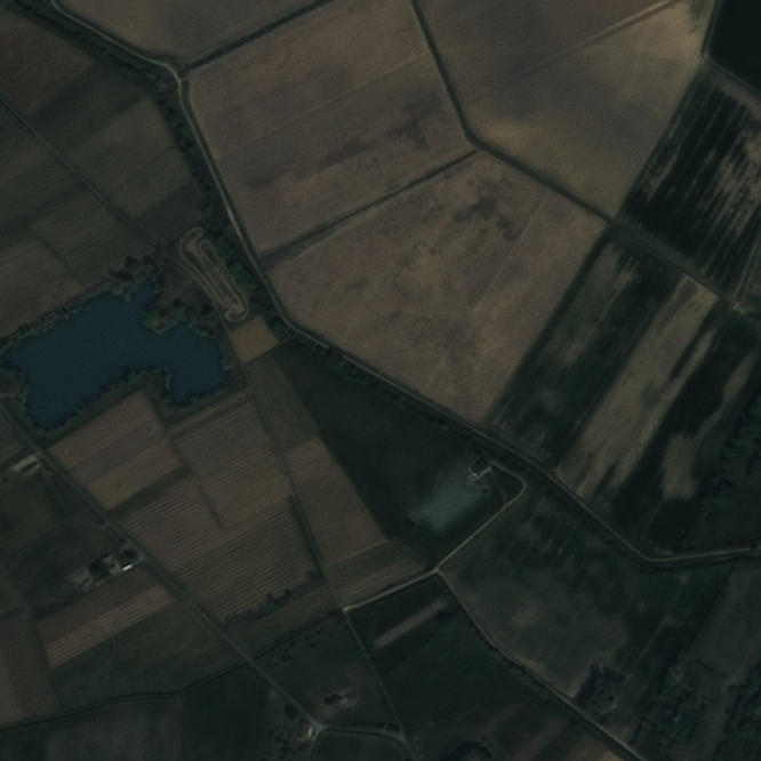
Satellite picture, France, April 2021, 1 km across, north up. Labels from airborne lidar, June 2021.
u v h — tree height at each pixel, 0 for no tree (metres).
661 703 6
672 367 0
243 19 0
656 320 0
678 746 10
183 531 0
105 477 0
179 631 0
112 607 0
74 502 0
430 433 0
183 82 0
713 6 0
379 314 0
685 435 0
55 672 0
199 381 0
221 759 0
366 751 0
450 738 0
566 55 0
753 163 0
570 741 0
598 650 0
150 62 0
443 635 0
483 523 0
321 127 0
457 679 0
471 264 0
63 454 0
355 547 0
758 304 0
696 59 0
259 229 0
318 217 0
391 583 0
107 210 0
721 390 0
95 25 0
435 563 0
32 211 0
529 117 0
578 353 0
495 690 0
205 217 20
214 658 0
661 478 0
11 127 0
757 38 0
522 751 0
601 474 0
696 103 0
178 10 0
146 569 0
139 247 0
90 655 0
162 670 0
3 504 0
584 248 0
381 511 0
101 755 0
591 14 0
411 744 0
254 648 0
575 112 0
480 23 0
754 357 0
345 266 0
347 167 0
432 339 0
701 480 0
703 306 0
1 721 0
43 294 0
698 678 7
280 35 0
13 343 11
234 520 0
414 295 0
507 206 0
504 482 0
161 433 0
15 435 0
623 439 0
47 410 0
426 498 0
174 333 0
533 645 0
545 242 0
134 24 0
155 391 0
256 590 0
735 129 0
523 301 0
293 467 0
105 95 0
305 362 0
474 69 0
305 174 0
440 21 0
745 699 12
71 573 0
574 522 0
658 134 0
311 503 0
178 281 0
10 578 0
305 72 0
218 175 0
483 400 0
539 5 0
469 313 0
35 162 0
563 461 0
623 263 0
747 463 0
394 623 0
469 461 0
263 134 0
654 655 0
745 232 0
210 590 0
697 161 0
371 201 0
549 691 13
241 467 0
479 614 0
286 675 0
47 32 0
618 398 0
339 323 0
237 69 0
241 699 0
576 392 0
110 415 0
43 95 0
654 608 0
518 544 0
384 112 0
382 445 0
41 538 0
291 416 0
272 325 7
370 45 0
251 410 0
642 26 0
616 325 0
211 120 0
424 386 0
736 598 0
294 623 0
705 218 0
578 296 0
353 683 0
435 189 0
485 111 0
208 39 0
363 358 0
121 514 0
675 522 0
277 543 0
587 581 0
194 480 0
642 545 0
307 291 0
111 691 0
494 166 0
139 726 0
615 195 0
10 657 0
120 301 0
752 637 0
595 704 29
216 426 0
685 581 0
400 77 0
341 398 0
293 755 6
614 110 0
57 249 0
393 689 0
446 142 0
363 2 0
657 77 0
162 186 0
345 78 0
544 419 0
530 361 0
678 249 0
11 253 0
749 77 0
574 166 0
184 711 0
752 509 0
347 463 0
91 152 0
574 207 0
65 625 0
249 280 18
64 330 0
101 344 0
